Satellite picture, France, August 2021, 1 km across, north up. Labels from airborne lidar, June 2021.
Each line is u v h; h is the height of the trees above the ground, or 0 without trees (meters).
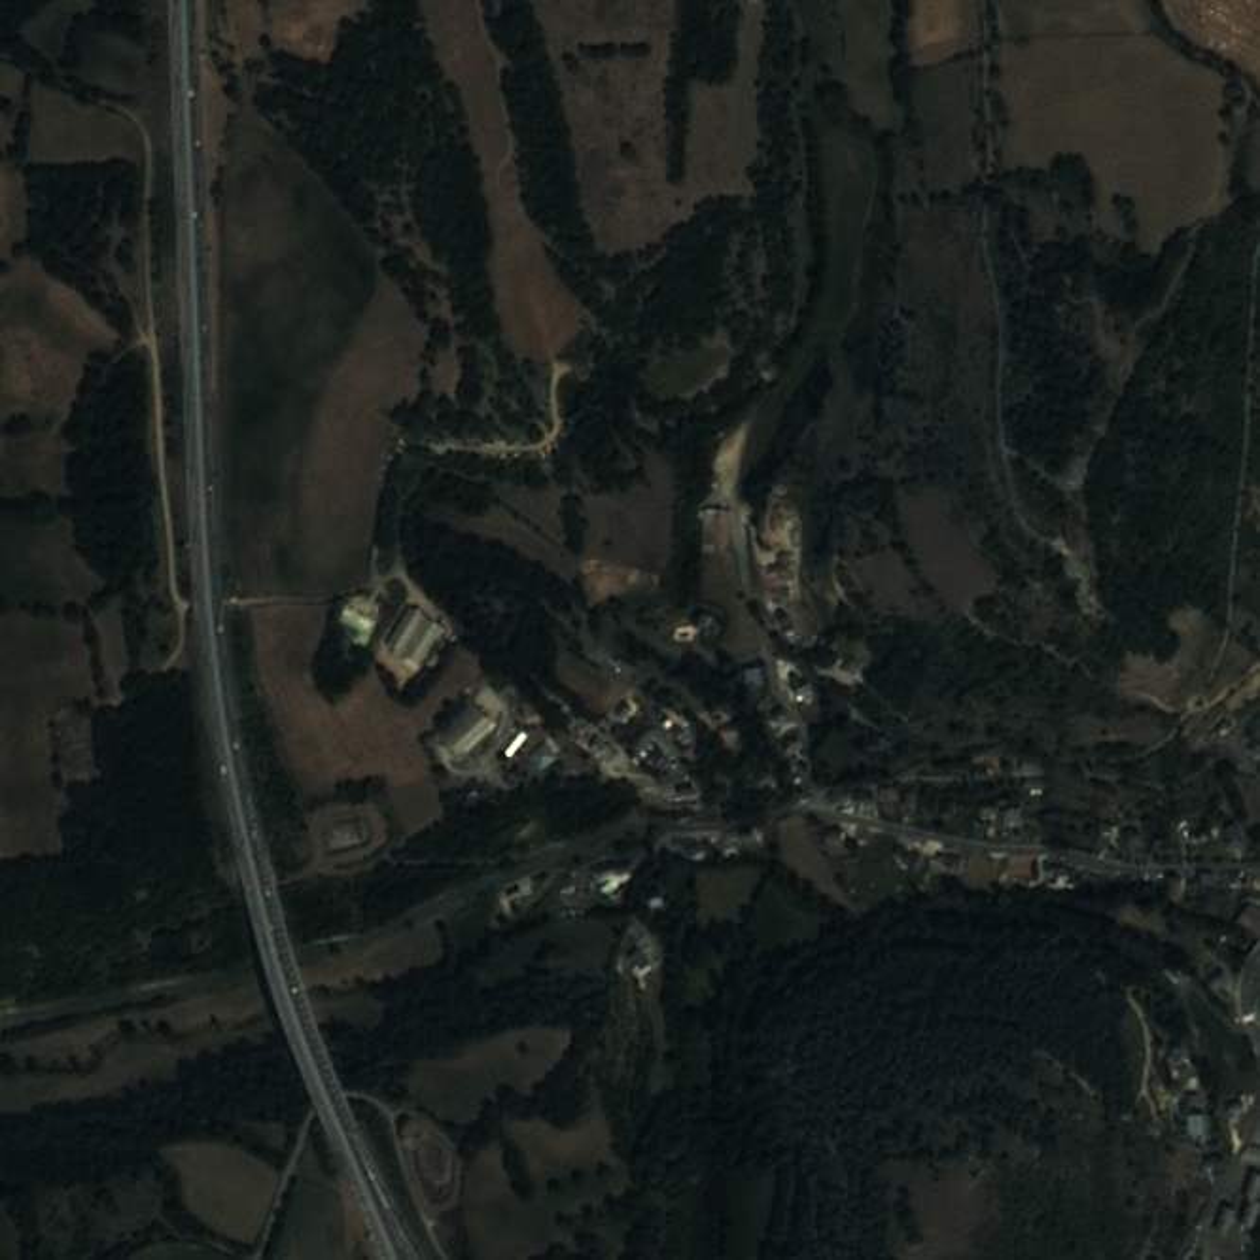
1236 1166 0
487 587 13
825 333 0
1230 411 6
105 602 13
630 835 6
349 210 11
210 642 0
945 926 14
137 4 8
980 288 0
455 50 0
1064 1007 14
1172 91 0
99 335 0
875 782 12
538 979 11
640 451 11
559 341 0
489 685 0
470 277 12
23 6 8
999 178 7
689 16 8
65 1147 9
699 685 13
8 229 0
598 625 12
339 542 0
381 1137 6
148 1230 8
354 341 0
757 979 10
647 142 0
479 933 0
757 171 11
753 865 9
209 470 0
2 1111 0
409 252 9
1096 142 0
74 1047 0
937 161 0
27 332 0
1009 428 7
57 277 11
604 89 0
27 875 17
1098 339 0
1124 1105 11
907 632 12
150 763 13
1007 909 16
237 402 0
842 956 6
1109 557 12
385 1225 0
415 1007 18
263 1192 0
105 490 11
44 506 17
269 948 0
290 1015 0
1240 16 0
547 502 0
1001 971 15
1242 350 6
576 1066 11
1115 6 0
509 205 0
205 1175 0
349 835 0
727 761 11
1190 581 7
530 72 10
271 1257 11
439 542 15
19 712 0
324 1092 0
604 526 0
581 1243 12
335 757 0
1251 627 7
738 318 9
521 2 9
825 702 11
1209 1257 0
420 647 0
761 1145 10
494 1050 0
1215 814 10
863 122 9
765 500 7
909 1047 14
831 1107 9
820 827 7
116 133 0
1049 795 7
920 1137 8
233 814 0
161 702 17
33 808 0
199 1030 0
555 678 12
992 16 6
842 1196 11
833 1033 10
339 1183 0
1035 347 9
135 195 12
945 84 0
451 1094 0
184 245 0
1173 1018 12
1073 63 0
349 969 0
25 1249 13
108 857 13
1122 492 8
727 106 0
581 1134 0
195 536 0
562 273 9
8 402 0
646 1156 15
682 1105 18
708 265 13
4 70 0
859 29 0
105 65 0
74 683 0
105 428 13
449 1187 0
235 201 0
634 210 0
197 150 0
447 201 10
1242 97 9
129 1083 0
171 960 11
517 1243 0
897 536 8
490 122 0
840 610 10
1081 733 0
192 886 10
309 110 9
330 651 11
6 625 0
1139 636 16
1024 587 7
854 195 0
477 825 11
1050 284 10
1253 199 8
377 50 9
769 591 0
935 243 0
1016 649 7
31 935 12
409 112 11
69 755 0
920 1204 0
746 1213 0
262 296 0
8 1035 9
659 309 11
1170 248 11
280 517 0
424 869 10
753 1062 8
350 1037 14
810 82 0
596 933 0
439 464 10
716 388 9
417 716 0
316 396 0
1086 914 10
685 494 6
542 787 11
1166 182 0
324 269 0
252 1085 16
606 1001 7
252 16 0
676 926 11
